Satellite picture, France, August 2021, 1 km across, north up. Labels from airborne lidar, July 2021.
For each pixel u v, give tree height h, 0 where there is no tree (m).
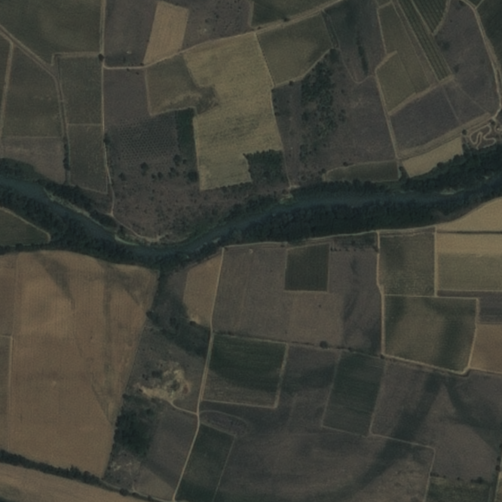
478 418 0
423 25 0
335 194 20
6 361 0
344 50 0
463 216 0
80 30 0
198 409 0
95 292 0
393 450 0
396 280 0
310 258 0
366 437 0
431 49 0
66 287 0
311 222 21
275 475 0
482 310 0
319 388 0
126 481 0
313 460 0
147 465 0
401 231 0
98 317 0
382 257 0
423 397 0
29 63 0
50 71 0
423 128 0
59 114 0
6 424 0
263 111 0
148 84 0
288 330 0
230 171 0
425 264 0
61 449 0
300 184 8
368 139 0
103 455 0
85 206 12
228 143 0
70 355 0
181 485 0
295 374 0
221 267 0
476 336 0
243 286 0
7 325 0
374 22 0
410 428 0
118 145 0
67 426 0
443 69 0
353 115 0
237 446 0
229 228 0
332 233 19
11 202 15
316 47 0
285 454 0
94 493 0
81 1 0
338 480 0
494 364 0
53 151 0
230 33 0
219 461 0
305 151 6
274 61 0
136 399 0
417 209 15
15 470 0
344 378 0
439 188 25
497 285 0
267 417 0
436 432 0
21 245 9
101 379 0
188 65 0
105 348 0
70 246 14
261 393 0
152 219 0
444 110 0
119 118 0
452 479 0
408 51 0
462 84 0
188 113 6
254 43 0
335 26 0
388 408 0
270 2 0
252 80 0
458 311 0
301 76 0
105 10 0
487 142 0
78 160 0
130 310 0
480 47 0
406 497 0
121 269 0
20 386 0
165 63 0
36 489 0
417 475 0
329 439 0
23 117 0
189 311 0
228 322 0
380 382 0
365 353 0
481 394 0
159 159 0
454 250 0
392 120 0
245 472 0
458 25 0
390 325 0
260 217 0
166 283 0
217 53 0
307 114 6
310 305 0
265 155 6
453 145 0
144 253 0
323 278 0
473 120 0
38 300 0
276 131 0
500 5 0
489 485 0
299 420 0
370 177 0
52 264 0
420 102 0
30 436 0
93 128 0
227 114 0
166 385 0
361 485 0
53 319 0
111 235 0
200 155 0
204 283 0
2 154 0
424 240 0
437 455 0
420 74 0
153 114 0
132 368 0
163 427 0
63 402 0
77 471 14
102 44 0
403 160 0
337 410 0
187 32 0
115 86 0
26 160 0
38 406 0
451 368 0
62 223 11
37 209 6
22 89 0
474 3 0
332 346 0
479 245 0
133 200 0
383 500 0
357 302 0
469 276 0
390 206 21
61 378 0
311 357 0
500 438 0
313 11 0
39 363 0
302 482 0
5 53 0
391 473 0
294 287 0
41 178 5
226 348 0
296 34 0
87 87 0
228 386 0
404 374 0
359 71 0
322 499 0
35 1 0
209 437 0
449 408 0
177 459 0
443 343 0
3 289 0
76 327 0
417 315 0
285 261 0
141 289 0
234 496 0
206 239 0
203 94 0
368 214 13
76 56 0
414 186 16
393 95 0
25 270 0
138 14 0
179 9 0
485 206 0
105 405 0
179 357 0
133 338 0
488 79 0
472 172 26
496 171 22
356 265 0
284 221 17
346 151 0
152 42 0
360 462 0
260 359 0
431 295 0
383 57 0
